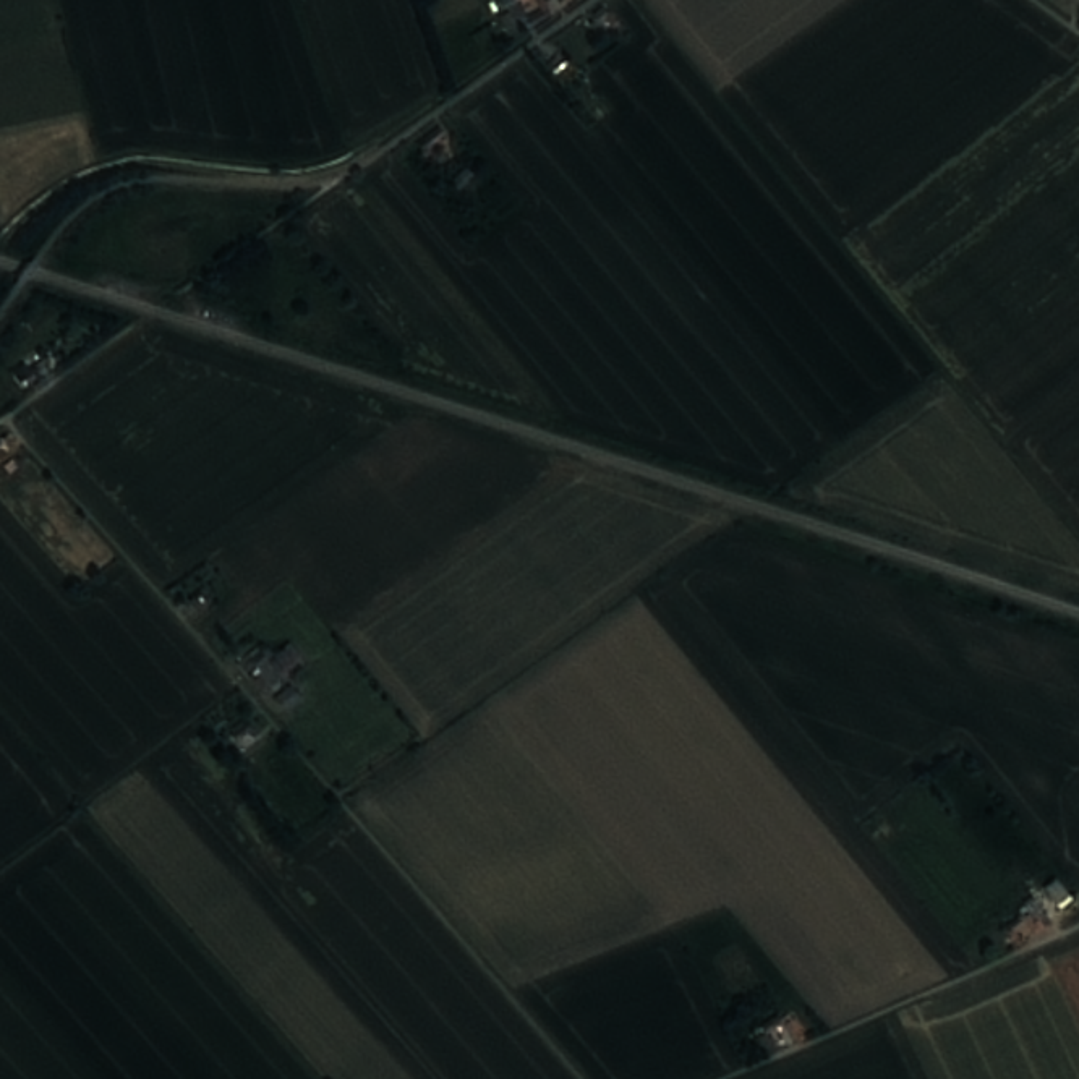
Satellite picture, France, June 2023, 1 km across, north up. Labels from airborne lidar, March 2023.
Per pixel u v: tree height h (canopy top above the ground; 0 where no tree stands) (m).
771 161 0
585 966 0
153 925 0
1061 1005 0
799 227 0
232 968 0
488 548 0
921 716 0
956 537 0
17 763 0
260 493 0
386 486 0
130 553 0
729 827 0
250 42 0
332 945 0
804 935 0
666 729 0
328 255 0
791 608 0
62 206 9
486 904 0
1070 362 0
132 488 0
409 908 0
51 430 0
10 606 0
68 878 0
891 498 0
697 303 0
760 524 0
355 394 0
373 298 0
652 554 0
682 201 0
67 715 0
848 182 0
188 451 0
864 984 0
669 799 0
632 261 0
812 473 0
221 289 16
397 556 0
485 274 0
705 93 0
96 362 0
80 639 0
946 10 0
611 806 0
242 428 0
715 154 0
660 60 0
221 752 17
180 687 0
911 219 0
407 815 0
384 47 0
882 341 0
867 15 0
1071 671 0
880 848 0
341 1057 0
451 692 0
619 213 0
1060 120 0
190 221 0
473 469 0
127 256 0
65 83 0
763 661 0
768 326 0
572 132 0
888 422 0
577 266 0
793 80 0
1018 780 0
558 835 0
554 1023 0
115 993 0
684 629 0
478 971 0
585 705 0
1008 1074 0
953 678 0
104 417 0
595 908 0
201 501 0
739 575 0
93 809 0
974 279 0
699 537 0
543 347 0
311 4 0
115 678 0
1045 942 0
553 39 0
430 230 0
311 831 0
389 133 0
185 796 0
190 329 0
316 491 0
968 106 0
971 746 0
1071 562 0
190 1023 0
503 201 7
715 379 0
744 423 0
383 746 0
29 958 0
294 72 0
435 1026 0
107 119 0
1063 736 0
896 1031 0
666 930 0
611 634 0
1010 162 0
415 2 21
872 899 0
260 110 0
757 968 0
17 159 0
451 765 0
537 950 0
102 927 0
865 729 0
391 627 0
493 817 0
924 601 0
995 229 0
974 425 0
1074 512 0
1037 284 0
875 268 0
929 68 0
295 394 0
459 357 0
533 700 0
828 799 0
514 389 0
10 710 0
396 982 0
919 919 0
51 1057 0
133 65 0
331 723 0
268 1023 0
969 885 0
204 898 0
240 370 0
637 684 0
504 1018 0
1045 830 0
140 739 0
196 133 0
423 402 0
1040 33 0
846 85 0
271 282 0
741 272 0
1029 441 0
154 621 0
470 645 0
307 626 0
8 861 0
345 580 0
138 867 0
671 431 0
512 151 0
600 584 0
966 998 0
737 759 0
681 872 0
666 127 0
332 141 0
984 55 0
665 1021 0
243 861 0
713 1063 0
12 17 0
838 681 0
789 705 0
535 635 0
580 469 0
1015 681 0
